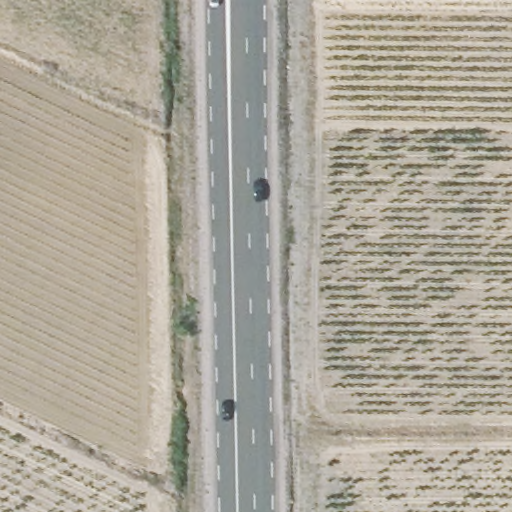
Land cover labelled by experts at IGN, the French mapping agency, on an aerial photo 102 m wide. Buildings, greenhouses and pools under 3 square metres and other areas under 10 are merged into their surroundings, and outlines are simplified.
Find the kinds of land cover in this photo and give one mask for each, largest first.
<instances>
[{"label":"vineyard","instance_id":"1","mask_svg":"<svg viewBox=\"0 0 512 512\"><path fill-rule=\"evenodd\" d=\"M162 0H0V404H12L18 408V414L30 412L34 418L54 424V442H64L66 434H74L80 442L88 444L90 448L104 444V454L114 452L120 458L128 460L126 468L144 472H148V460V424L152 418L154 388L150 378L152 298L148 292L150 220L146 206V134L162 138L164 126V56L158 48L160 40L166 38L162 26ZM288 108L292 120V184L288 200L292 204L294 244L290 252L292 268L288 298L292 402L284 404L288 458H294V512H512V0H288Z\"/></svg>","mask_w":512,"mask_h":512},{"label":"impervious surface","instance_id":"2","mask_svg":"<svg viewBox=\"0 0 512 512\"><path fill-rule=\"evenodd\" d=\"M206 42L210 44V54L206 56V72L212 76V86L206 90V104L212 108V120L206 124V136L214 142V150L208 156V170L214 174V184L208 188V194L210 204L214 206L210 234L216 244L212 252V268L216 272L212 298L216 304L214 334L218 340L214 350V366L218 370L214 398L222 404L220 414L214 420L216 432L220 436V444L216 448V464L220 466L216 496L220 498V512H288V458L284 404L280 304L282 182L278 140V0H218L216 8H212L210 12V22L206 24ZM146 206L150 220L148 292L152 298L150 378L154 388L152 418L148 424V460L156 458L170 446L174 396L170 358L172 308L168 272V204L162 138L146 134Z\"/></svg>","mask_w":512,"mask_h":512},{"label":"herbaceous vegetation","instance_id":"3","mask_svg":"<svg viewBox=\"0 0 512 512\"><path fill-rule=\"evenodd\" d=\"M218 0H178L182 72L180 82H176L174 86L176 92L182 96V104H174L172 126H164L162 138L168 204L172 200H180L182 204V240L176 252L178 268L184 276L182 302L188 304L190 296L198 298L200 312V332L192 336L188 334L184 338L182 394L188 404L190 420L186 484L190 512H220V498L216 496L220 466L216 464V448L220 444V436L216 432L214 420L220 414L222 404L214 398L218 370L214 366V350L218 340L214 334L216 304L212 298L216 272L212 268V252L216 244L210 234L214 206L210 204L208 194V188L214 184V174L208 170V156L214 150V142L206 136V124L212 120V108L206 104V90L212 86V76L206 72V56L210 54V44L206 42V24L210 22V12L212 8H216ZM54 424L34 418L30 412L18 414V408L12 404H0V512H176V500L172 496L176 492V478L170 464V446L156 458L148 460V472H144L126 468L128 460L120 458L114 452L104 454V444L90 448L88 444L80 442L74 434H66L64 442H54Z\"/></svg>","mask_w":512,"mask_h":512},{"label":"brushwood","instance_id":"4","mask_svg":"<svg viewBox=\"0 0 512 512\"><path fill-rule=\"evenodd\" d=\"M162 26L166 38L160 40L158 48L164 56V126H172L174 104H182V96L176 92L174 86L176 82H180L182 72L178 0H162ZM278 140L282 182L280 304L284 404L292 402L288 298L292 268L290 252L294 244L292 204L288 200L292 184V120L288 108V0H278ZM182 240V204L180 200H172L168 204V272L172 308L170 358L174 396L170 446V464L176 478V492L172 496L176 500V512H190L186 484L190 420L188 404L182 394L184 338L188 334L192 336L200 332V312L198 298L190 296L188 304L182 302L184 276L178 268L176 252ZM288 512H294V458H288Z\"/></svg>","mask_w":512,"mask_h":512}]
</instances>
